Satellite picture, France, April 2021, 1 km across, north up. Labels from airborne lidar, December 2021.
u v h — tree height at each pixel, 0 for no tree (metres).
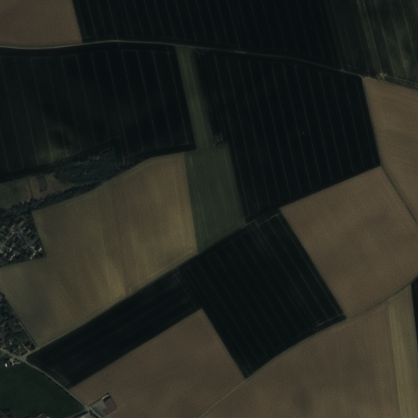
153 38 0
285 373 0
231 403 0
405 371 0
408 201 0
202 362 0
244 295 0
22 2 0
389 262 0
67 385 0
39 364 0
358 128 0
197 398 0
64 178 10
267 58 0
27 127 0
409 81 0
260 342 0
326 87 0
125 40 0
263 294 0
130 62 0
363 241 0
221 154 0
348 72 0
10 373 0
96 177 7
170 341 0
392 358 0
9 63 0
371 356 0
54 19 0
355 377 0
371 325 0
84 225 0
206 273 0
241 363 0
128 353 0
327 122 0
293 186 0
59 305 0
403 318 0
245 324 0
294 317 0
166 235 0
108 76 0
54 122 0
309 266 0
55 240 0
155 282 0
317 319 0
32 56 0
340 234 0
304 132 0
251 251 0
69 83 0
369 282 0
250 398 0
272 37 0
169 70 0
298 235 0
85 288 0
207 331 0
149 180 0
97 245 0
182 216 0
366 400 0
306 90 0
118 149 0
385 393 0
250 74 0
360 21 0
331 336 0
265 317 0
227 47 0
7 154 0
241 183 0
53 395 0
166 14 0
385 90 0
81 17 0
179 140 0
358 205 0
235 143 0
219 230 0
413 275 0
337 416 0
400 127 0
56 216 0
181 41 0
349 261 0
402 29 0
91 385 0
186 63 0
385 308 0
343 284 0
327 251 0
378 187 0
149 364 0
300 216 0
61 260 0
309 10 0
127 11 0
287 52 0
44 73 0
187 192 0
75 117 0
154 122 0
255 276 0
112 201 0
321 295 0
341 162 0
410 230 0
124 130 0
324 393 0
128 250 0
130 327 0
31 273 0
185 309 0
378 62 0
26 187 0
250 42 0
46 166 0
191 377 0
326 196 0
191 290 0
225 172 0
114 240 0
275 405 0
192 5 0
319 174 0
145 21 0
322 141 0
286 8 0
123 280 0
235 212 0
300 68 0
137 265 0
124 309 0
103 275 0
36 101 0
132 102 0
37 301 0
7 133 0
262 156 0
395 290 0
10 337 6
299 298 0
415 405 0
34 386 0
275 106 0
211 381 0
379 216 0
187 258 0
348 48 0
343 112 0
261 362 0
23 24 0
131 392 0
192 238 0
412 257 0
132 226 0
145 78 0
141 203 0
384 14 0
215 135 0
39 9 0
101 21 0
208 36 0
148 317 0
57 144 0
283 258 0
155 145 0
